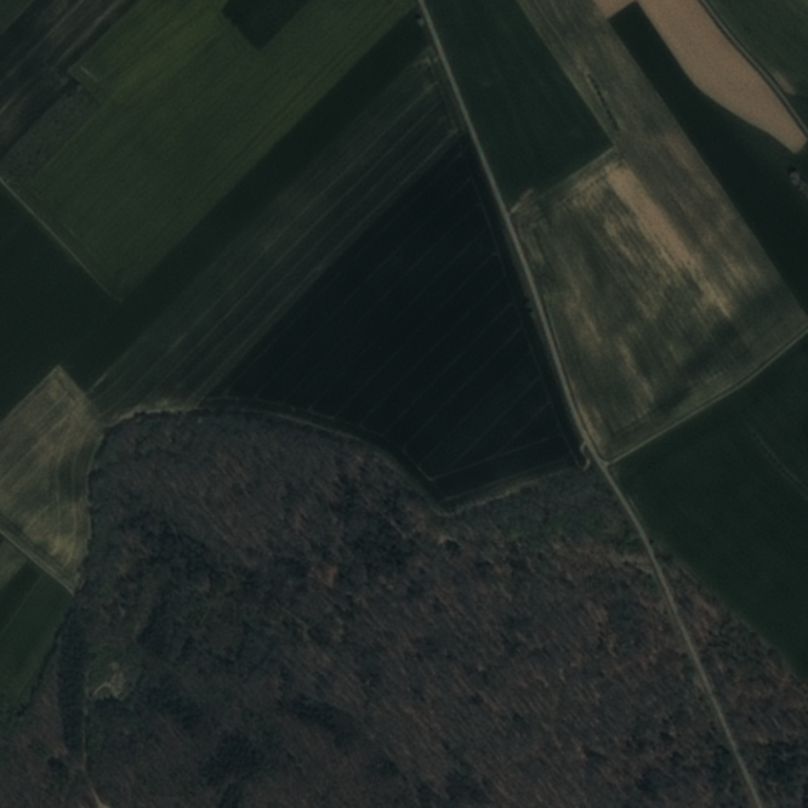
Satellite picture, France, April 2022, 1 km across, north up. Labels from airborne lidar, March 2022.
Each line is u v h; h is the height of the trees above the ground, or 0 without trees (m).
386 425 0
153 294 0
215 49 0
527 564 9
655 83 0
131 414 0
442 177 0
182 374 0
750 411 0
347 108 0
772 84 0
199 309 0
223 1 0
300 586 31
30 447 0
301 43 0
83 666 26
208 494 29
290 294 0
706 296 0
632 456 0
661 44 0
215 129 0
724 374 0
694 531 0
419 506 28
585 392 0
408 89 0
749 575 0
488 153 0
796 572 0
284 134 0
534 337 0
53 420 0
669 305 0
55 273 0
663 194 0
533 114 0
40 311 0
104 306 0
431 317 0
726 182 0
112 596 16
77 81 0
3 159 0
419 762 24
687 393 0
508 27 0
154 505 31
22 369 0
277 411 0
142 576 8
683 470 0
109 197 0
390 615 30
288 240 0
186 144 0
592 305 0
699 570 0
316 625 11
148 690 21
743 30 0
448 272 0
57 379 0
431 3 0
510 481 0
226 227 0
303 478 32
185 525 26
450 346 0
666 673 17
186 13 0
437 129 0
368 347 0
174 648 26
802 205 0
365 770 16
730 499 0
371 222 0
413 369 0
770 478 0
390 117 0
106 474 12
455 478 0
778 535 0
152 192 0
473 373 0
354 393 0
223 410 0
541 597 27
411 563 22
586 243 0
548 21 0
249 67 0
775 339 0
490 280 0
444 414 0
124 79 0
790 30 0
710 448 0
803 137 0
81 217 0
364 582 32
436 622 29
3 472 0
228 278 0
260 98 0
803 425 0
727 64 0
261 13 0
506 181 0
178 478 31
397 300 0
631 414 0
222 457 31
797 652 0
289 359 0
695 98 0
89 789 21
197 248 0
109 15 0
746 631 10
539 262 0
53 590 0
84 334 0
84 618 20
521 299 0
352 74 0
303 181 0
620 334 0
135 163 0
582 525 30
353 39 0
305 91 0
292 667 28
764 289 0
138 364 0
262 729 24
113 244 0
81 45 0
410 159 0
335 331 0
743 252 0
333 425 0
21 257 0
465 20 0
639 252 0
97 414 0
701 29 0
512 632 27
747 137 0
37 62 0
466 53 0
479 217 0
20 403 0
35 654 0
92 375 0
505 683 30
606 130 0
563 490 23
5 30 0
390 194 0
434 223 0
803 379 0
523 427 0
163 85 0
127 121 0
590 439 0
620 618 29
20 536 0
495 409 0
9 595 0
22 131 0
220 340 0
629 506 0
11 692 0
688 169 0
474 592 30
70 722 23
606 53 0
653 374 0
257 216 0
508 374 0
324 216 0
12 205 0
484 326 0
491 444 0
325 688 26
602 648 6
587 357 0
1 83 0
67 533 0
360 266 0
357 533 30
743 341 0
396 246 0
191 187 0
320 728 18
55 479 0
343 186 0
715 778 29
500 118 0
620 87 0
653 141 0
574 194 0
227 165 0
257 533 30
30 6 0
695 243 0
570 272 0
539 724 28
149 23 0
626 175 0
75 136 0
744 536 0
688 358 0
